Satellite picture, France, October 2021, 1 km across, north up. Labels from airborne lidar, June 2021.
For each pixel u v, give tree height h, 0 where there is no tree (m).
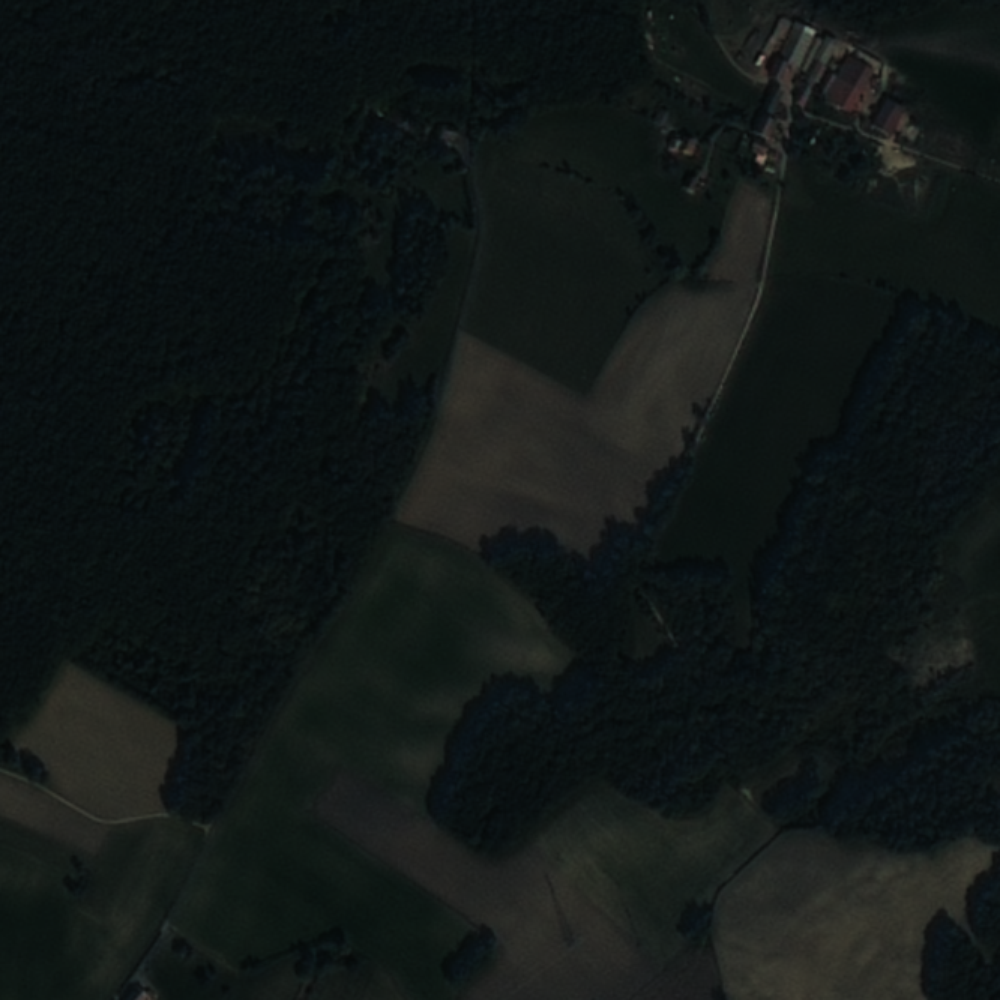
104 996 0
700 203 0
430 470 0
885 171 0
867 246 0
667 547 0
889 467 24
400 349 5
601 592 23
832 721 8
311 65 23
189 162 27
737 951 0
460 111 22
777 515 0
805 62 0
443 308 0
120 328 27
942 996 20
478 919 0
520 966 0
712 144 6
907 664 12
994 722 18
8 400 24
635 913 0
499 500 0
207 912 0
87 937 0
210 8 23
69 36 25
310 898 0
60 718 0
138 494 21
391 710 0
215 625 27
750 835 0
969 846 0
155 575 26
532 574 22
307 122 26
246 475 24
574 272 0
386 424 22
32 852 0
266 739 0
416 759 0
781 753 12
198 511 25
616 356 0
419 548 0
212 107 24
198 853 0
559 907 0
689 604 18
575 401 0
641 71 21
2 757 9
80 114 26
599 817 0
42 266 26
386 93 22
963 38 0
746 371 0
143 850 0
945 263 0
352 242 20
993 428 16
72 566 28
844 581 22
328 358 29
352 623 0
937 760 12
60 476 26
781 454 0
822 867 0
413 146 8
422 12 20
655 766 9
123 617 26
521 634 0
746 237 0
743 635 0
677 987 0
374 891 0
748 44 0
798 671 11
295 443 30
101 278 23
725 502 0
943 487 11
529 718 26
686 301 0
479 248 0
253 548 23
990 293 0
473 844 20
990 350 24
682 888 0
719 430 0
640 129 0
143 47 23
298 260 26
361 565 18
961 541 0
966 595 0
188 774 18
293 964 0
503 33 22
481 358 0
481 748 23
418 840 0
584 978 0
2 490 26
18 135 26
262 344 27
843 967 0
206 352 24
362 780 0
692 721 17
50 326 25
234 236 27
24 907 0
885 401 18
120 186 25
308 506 21
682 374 0
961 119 0
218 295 30
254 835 0
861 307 0
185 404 10
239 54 24
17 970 0
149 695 9
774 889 0
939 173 0
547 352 0
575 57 26
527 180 0
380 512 21
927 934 0
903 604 16
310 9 24
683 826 0
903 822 15
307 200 24
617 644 13
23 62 24
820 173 0
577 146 0
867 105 0
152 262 28
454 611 0
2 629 27
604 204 0
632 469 0
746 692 20
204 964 0
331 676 0
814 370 0
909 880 0
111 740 0
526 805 27
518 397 0
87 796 0
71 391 27
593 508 0
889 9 22
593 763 22
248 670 22
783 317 0
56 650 23
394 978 0
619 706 24
